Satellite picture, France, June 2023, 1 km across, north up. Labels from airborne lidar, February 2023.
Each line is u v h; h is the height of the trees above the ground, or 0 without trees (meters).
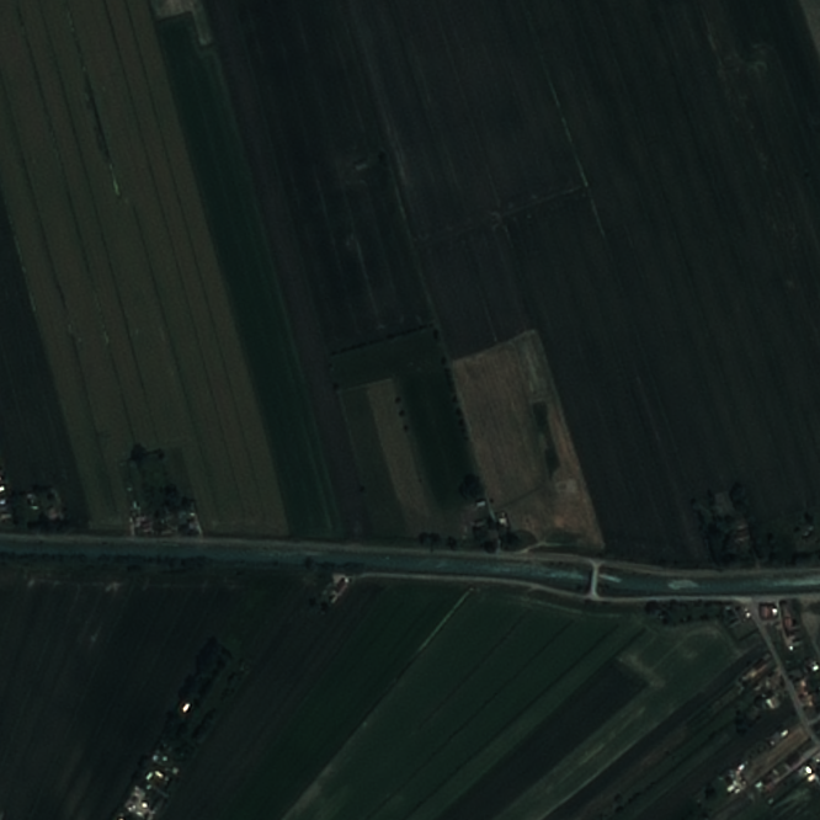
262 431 0
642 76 0
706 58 0
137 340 0
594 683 0
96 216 0
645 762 0
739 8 0
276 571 0
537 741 0
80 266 0
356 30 0
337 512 0
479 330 0
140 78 0
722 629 0
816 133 0
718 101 0
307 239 0
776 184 0
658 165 0
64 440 0
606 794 0
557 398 0
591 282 0
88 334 0
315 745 0
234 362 0
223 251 0
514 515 0
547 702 0
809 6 0
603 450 0
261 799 0
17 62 0
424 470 0
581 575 0
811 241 0
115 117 0
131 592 0
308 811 0
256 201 0
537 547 0
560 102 0
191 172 0
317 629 0
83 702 0
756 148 0
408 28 0
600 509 0
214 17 0
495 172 0
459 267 0
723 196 0
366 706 0
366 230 0
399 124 0
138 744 0
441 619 0
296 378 0
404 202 0
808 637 0
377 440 0
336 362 0
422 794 0
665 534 0
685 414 0
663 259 0
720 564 11
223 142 0
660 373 0
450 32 0
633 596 0
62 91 0
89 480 0
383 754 0
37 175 0
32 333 0
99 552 0
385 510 0
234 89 0
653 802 0
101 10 0
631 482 0
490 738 0
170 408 0
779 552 12
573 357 0
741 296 0
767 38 0
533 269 0
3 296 0
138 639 0
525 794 0
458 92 0
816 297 0
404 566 0
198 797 0
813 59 0
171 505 13
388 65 0
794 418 0
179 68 0
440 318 0
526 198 0
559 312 0
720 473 0
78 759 0
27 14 0
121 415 0
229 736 0
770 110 0
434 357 0
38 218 0
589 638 0
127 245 0
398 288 0
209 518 0
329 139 0
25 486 0
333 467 0
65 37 0
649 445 0
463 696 0
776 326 0
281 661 0
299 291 0
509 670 0
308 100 0
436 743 0
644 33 0
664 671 0
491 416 0
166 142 0
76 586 0
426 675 0
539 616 0
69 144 0
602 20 0
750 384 0
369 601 0
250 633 0
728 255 0
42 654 0
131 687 0
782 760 0
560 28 0
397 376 0
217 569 0
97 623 0
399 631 0
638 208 0
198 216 0
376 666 0
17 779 0
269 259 0
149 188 0
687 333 0
